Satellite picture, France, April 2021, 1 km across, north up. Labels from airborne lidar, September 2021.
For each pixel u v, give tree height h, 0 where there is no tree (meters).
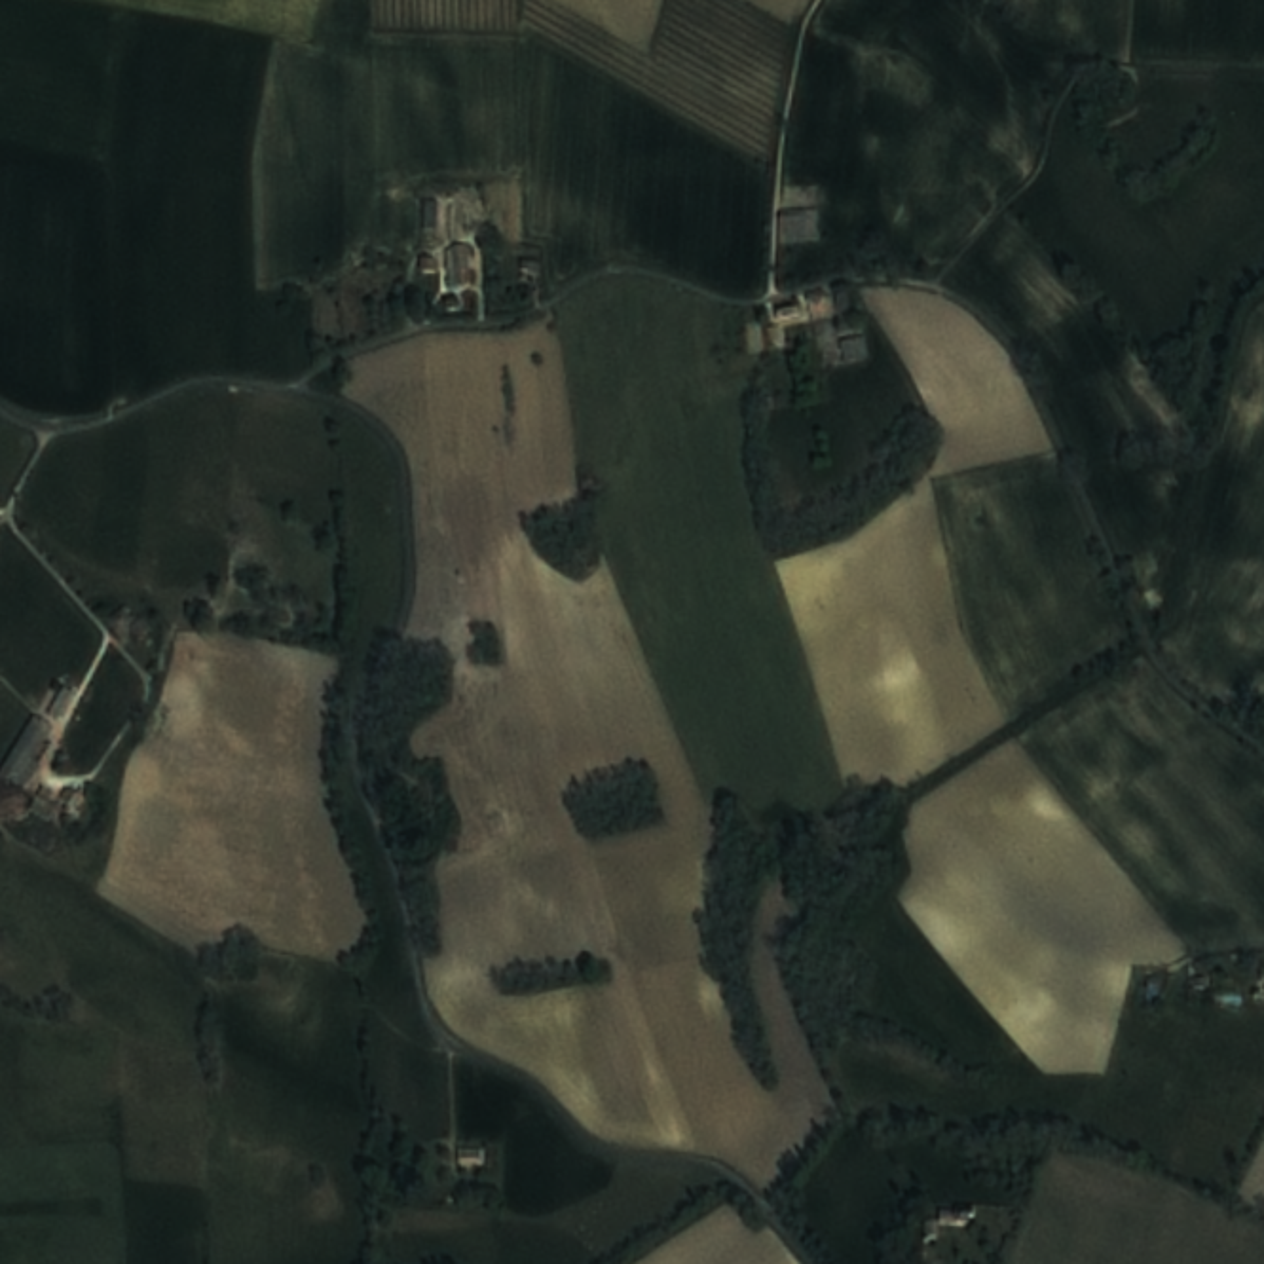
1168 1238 0
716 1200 12
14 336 0
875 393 0
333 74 0
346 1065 0
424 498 0
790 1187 15
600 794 19
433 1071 0
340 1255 0
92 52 0
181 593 0
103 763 0
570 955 0
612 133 0
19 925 0
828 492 0
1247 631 0
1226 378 13
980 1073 8
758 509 15
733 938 16
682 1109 0
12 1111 0
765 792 0
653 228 0
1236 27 0
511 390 7
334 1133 0
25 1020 14
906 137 0
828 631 0
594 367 0
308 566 0
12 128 0
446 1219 0
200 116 0
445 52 0
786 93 0
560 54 0
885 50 0
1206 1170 0
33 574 0
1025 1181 8
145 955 0
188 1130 0
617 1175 0
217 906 0
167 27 0
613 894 0
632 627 0
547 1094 0
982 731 0
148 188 0
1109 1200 0
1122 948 0
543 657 0
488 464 0
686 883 0
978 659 0
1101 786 0
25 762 0
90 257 0
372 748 19
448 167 0
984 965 0
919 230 0
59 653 0
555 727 0
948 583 0
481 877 0
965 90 0
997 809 0
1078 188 0
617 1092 0
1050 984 0
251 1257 0
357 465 0
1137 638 10
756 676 0
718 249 0
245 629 17
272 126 0
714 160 0
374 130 0
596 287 0
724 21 0
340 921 0
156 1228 0
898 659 0
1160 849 0
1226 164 0
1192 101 0
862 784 12
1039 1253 0
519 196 0
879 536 0
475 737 0
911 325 0
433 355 0
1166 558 0
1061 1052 0
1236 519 0
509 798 0
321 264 7
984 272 0
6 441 0
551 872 0
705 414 0
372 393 0
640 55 0
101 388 0
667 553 0
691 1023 0
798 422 0
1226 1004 0
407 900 15
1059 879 0
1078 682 12
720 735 0
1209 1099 0
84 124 0
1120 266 0
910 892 0
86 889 0
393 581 0
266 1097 0
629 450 0
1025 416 0
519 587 0
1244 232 0
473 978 0
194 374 0
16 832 0
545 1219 0
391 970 0
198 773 0
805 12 0
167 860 0
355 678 0
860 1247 0
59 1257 0
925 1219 13
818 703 0
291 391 0
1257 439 0
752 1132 0
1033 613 0
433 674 13
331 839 0
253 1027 0
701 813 0
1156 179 10
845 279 16
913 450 16
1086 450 0
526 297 8
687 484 0
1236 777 0
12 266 0
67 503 0
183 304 0
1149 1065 0
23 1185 0
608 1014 0
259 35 0
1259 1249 0
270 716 0
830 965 8
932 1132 25
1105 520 0
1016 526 0
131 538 0
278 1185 0
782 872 21
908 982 0
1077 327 0
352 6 0
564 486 0
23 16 0
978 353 0
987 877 0
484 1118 0
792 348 7
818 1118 0
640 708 0
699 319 0
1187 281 0
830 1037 9
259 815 0
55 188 0
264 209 0
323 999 0
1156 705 0
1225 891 0
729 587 0
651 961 0
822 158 0
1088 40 0
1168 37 0
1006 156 0
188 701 0
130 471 0
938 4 0
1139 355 17
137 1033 0
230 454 0
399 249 0
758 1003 20
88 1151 0
